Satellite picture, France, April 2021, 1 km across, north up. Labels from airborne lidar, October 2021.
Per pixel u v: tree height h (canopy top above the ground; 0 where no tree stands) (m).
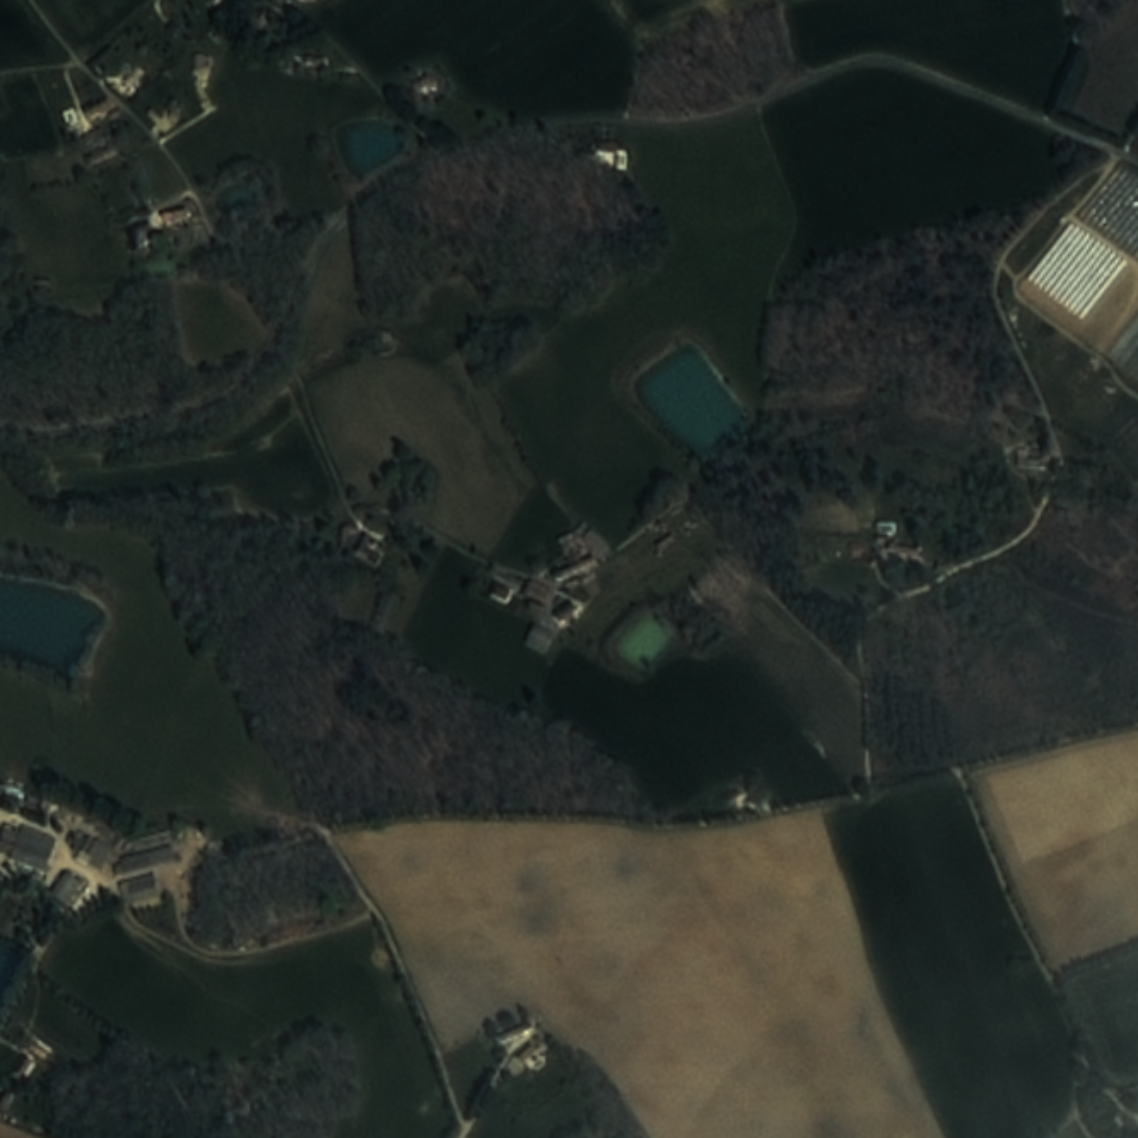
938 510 12
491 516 0
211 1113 22
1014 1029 0
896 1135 0
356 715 23
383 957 0
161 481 0
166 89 0
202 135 0
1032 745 7
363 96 0
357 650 21
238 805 0
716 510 9
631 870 0
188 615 20
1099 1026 0
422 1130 0
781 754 0
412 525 10
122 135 16
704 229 0
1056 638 16
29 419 16
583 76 0
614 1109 18
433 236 18
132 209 6
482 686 0
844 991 0
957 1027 0
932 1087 0
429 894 0
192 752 0
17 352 22
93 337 22
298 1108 22
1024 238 0
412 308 18
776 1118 0
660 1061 0
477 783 14
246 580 23
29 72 0
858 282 10
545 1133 0
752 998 0
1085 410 0
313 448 0
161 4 0
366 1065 0
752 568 15
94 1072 13
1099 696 6
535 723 16
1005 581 7
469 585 11
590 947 0
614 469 0
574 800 17
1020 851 0
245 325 0
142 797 0
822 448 12
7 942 6
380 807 12
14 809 12
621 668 6
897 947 0
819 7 0
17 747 0
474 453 0
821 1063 0
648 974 0
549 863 0
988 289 12
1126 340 0
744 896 0
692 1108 0
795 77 15
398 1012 0
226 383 20
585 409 0
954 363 11
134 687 0
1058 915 0
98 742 0
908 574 14
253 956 0
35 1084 12
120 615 0
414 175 13
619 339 0
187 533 22
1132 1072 0
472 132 0
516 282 16
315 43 17
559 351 0
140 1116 20
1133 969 0
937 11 0
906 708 12
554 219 16
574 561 0
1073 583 7
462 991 0
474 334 10
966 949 0
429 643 0
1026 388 8
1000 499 22
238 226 15
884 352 13
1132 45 0
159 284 15
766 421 13
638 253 23
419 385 0
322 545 9
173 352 19
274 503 0
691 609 14
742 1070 0
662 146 0
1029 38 0
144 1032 0
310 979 0
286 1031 0
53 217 0
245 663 18
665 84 15
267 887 25
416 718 17
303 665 18
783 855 0
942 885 0
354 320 0
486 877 0
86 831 0
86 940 0
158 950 0
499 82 0
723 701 0
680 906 0
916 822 0
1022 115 0
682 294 0
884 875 0
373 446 0
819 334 14
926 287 12
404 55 0
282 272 22
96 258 0
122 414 10
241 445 0
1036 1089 0
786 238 0
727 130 0
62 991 6
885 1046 0
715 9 0
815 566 7
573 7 0
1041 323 0
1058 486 9
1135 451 0
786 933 0
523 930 0
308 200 0
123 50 0
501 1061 9
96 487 0
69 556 0
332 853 20
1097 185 0
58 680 21
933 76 0
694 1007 0
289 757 20
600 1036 0
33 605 0
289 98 0
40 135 0
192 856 0
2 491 0
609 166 16
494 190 15
